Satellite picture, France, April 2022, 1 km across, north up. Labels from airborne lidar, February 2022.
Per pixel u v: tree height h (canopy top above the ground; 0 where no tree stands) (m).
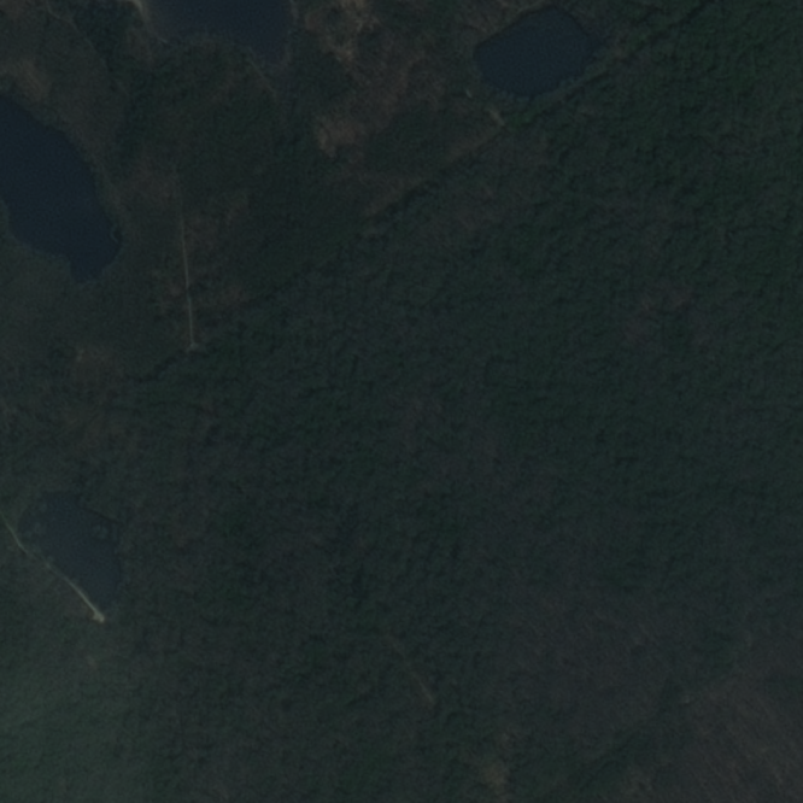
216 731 28
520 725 27
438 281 24
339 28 23
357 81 19
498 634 15
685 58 27
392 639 0
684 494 22
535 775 26
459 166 0
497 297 28
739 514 28
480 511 27
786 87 23
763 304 24
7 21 18
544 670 27
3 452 21
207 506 29
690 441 30
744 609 27
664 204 27
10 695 24
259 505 26
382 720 29
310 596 32
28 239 0
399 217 26
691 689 23
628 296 24
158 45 13
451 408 28
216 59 20
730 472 25
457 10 24
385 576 25
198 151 16
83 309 17
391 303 21
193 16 0
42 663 25
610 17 16
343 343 27
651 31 18
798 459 28
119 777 23
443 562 25
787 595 31
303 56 13
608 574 24
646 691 30
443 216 26
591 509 29
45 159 0
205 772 25
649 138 27
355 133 0
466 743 27
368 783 23
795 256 25
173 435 26
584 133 25
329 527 27
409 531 28
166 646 24
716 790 23
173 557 29
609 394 25
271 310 26
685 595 32
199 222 0
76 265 0
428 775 23
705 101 24
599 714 28
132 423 27
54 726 23
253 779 24
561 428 26
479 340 28
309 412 28
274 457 28
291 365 24
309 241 16
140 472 28
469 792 28
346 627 25
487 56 0
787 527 29
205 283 11
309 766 26
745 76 26
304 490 28
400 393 28
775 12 21
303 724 28
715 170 30
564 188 29
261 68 14
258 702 26
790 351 25
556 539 27
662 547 29
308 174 16
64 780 25
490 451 31
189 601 25
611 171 17
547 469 27
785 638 30
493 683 30
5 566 29
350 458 27
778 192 31
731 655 24
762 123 28
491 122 19
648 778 10
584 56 0
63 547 0
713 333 25
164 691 26
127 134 16
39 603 30
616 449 27
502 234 26
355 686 24
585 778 13
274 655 25
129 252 12
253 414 27
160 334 19
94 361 0
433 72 20
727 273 24
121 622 20
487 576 24
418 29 20
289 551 29
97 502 24
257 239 17
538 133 26
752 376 24
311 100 18
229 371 27
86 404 28
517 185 27
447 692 30
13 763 24
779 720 0
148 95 23
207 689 27
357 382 23
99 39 27
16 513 24
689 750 22
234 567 27
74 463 23
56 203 0
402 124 17
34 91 0
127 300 19
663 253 26
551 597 29
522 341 28
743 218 29
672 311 29
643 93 25
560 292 25
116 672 27
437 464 26
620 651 29
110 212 18
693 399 28
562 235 24
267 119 18
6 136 0
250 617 26
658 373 28
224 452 29
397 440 30
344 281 27
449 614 23
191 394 32
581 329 25
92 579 0
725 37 31
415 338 29
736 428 28
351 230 17
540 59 0
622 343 25
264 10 0
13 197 0
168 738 23
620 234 26
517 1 21
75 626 24
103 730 24
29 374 17
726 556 30
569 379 27
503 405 28
